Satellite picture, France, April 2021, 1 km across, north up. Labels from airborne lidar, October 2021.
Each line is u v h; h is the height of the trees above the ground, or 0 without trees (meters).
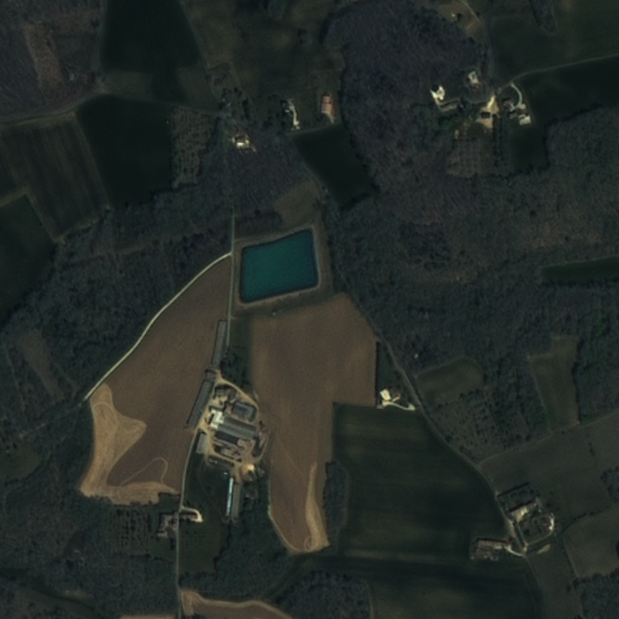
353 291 19
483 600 0
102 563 17
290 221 0
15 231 0
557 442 0
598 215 16
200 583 17
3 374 12
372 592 0
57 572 19
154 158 0
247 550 16
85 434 16
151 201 8
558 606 0
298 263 0
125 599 19
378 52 20
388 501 0
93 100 0
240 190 25
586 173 15
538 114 0
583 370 13
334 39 22
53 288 15
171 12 0
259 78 0
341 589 8
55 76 6
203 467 0
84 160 0
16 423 15
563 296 15
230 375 8
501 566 0
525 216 13
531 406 16
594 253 16
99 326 8
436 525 0
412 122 16
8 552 15
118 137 0
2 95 16
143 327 14
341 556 0
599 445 0
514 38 0
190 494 0
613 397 14
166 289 17
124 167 0
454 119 7
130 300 17
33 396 7
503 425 7
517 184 20
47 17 10
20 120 0
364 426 0
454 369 0
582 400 14
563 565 0
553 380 0
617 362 12
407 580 0
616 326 16
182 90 0
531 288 17
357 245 17
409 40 21
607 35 0
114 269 15
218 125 15
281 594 0
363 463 0
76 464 14
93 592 18
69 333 7
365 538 0
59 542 12
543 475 0
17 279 0
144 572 13
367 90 22
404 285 18
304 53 0
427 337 12
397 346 12
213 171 16
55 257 13
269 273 0
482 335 19
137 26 0
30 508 7
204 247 21
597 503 0
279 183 19
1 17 18
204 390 0
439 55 17
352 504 0
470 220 20
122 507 6
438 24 20
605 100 0
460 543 0
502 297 20
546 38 0
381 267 24
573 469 0
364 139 17
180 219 18
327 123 17
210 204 22
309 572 0
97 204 0
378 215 19
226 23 0
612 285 12
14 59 14
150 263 15
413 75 14
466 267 11
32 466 0
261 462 0
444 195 12
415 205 9
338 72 0
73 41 9
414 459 0
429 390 0
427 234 14
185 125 8
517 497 12
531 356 11
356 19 18
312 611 14
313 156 0
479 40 0
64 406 14
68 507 14
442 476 0
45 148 0
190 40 0
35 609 12
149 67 0
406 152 23
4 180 0
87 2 10
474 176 9
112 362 15
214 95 0
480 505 0
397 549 0
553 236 11
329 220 19
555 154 14
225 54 0
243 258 0
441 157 11
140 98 0
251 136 17
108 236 14
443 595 0
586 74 0
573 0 0
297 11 0
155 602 16
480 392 6
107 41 0
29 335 12
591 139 20
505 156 9
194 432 0
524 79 0
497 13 0
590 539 0
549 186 18
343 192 0
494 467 0
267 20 0
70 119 0
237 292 0
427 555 0
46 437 15
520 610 0
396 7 19
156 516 0
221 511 0
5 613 14
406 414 0
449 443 13
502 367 12
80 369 12
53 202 0
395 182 12
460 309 22
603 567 0
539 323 10
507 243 20
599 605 20
